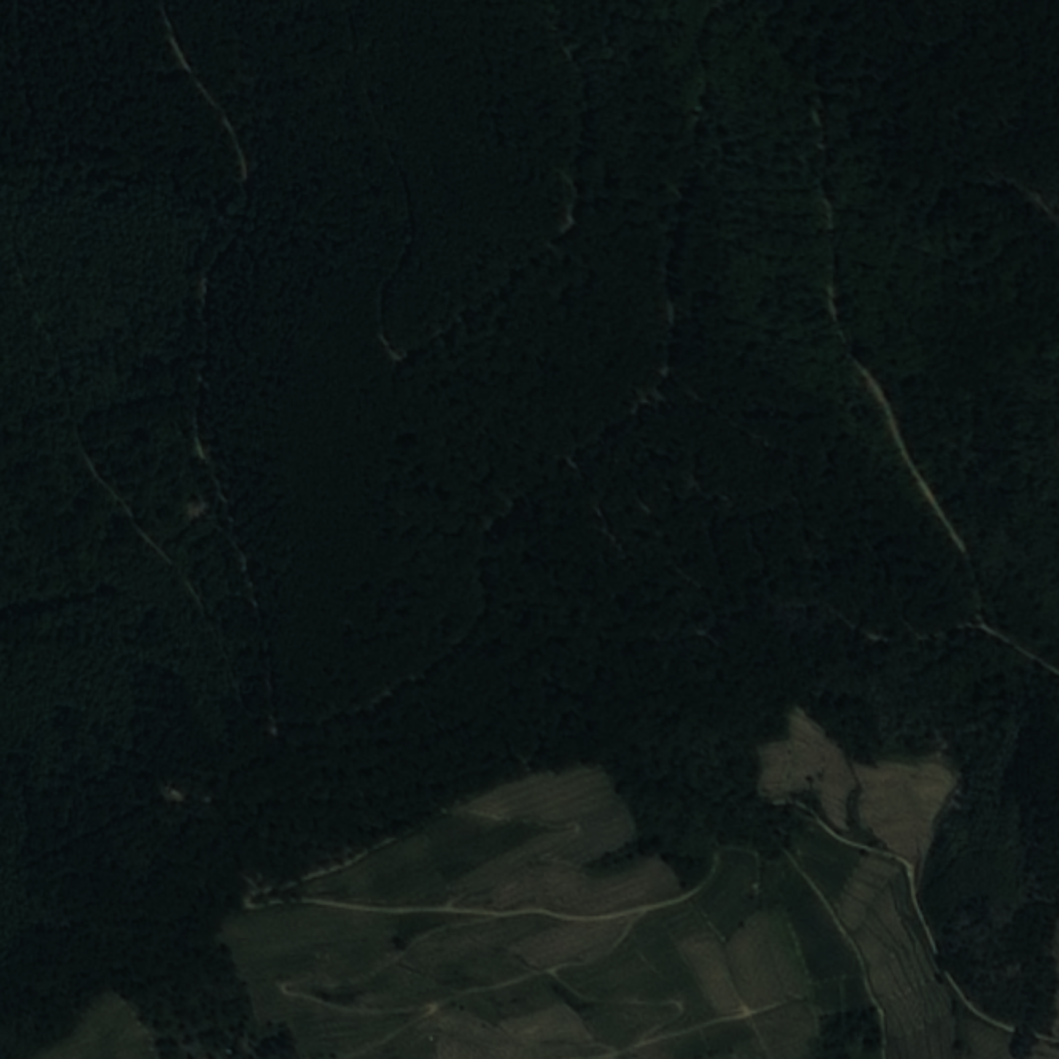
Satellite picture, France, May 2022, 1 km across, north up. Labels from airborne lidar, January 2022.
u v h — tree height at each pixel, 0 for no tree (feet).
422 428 76
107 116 67
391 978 0
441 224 62
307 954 0
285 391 63
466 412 81
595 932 0
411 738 73
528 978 0
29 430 66
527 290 72
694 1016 0
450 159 61
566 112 85
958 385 73
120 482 48
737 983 0
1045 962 26
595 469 77
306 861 29
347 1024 0
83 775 49
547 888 0
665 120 103
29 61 60
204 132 77
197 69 44
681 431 75
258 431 68
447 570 75
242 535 55
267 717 30
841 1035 27
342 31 58
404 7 51
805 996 0
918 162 77
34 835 51
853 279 57
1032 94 55
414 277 66
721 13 60
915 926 0
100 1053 0
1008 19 81
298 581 57
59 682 55
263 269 69
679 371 74
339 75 68
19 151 68
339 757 73
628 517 72
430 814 57
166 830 38
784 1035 0
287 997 0
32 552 45
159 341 44
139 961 58
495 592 85
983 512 68
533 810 0
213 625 56
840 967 0
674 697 67
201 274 38
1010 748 50
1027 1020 38
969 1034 0
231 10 48
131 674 54
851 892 0
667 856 41
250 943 0
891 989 0
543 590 77
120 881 37
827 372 69
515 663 64
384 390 49
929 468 63
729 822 85
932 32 76
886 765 0
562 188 75
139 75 66
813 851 0
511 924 0
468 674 76
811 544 69
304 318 58
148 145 71
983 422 65
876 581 54
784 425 69
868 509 61
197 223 67
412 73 69
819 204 62
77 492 40
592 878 0
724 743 43
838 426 71
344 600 62
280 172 66
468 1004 0
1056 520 62
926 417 55
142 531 48
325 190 84
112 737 58
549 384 73
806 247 71
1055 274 53
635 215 102
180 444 35
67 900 43
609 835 0
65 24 54
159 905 68
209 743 61
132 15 56
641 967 0
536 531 77
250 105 40
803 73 64
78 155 74
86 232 43
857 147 67
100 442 36
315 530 58
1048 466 73
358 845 39
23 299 47
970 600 55
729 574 68
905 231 60
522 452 88
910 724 56
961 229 74
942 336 58
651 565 69
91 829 39
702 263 85
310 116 71
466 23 59
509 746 77
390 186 74
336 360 58
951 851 45
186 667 46
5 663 61
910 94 79
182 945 40
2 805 61
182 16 54
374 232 74
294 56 65
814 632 57
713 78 64
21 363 54
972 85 61
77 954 36
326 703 63
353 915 0
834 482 63
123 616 41
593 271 68
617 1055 0
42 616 83
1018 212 80
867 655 49
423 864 0
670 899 0
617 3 94
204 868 53
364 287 65
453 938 0
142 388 46
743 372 78
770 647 52
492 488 64
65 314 54
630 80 98
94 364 58
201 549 64
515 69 68
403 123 57
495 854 0
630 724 68
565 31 82
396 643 58
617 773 56
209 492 59
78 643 81
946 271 77
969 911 31
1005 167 58
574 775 0
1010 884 0
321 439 64
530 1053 0
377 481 66
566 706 70
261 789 50
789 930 0
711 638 67
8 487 58
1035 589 21
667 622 63
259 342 77
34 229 53
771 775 0
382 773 64
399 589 58
